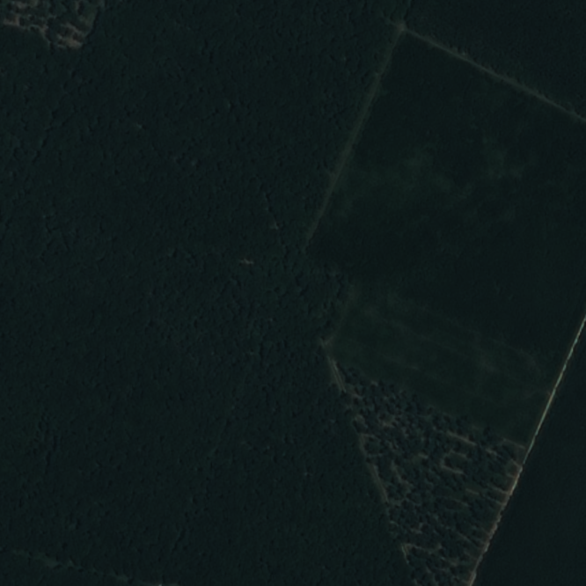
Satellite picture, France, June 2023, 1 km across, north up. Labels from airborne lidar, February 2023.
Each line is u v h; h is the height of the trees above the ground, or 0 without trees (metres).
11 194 27
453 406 0
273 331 26
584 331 9
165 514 26
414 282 7
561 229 8
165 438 27
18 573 30
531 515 12
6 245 25
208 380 25
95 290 26
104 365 26
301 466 28
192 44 32
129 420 27
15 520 25
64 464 30
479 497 0
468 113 6
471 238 7
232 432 29
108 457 29
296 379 27
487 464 34
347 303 32
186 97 28
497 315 6
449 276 9
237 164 27
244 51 27
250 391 27
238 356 25
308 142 28
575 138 11
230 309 24
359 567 23
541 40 20
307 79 28
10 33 28
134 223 29
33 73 29
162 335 23
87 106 28
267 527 27
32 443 13
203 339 18
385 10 25
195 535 24
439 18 18
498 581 13
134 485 29
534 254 6
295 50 30
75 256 26
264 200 26
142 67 30
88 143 31
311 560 25
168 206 28
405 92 7
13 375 29
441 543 35
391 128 7
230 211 29
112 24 24
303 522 26
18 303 29
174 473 28
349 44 28
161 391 28
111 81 31
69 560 24
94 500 26
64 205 26
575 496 13
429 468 33
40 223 27
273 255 28
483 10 18
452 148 8
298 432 27
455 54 0
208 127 29
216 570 25
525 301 6
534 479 13
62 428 30
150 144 27
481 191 7
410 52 8
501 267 6
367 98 23
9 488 28
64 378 28
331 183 24
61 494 28
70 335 29
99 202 28
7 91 27
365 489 26
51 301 26
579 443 14
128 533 22
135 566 25
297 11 31
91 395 27
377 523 20
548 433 13
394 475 28
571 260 6
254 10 29
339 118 25
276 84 29
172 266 25
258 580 27
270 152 25
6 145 27
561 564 11
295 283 25
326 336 30
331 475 24
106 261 20
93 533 25
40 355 27
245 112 25
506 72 17
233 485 28
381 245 9
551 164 8
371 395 28
